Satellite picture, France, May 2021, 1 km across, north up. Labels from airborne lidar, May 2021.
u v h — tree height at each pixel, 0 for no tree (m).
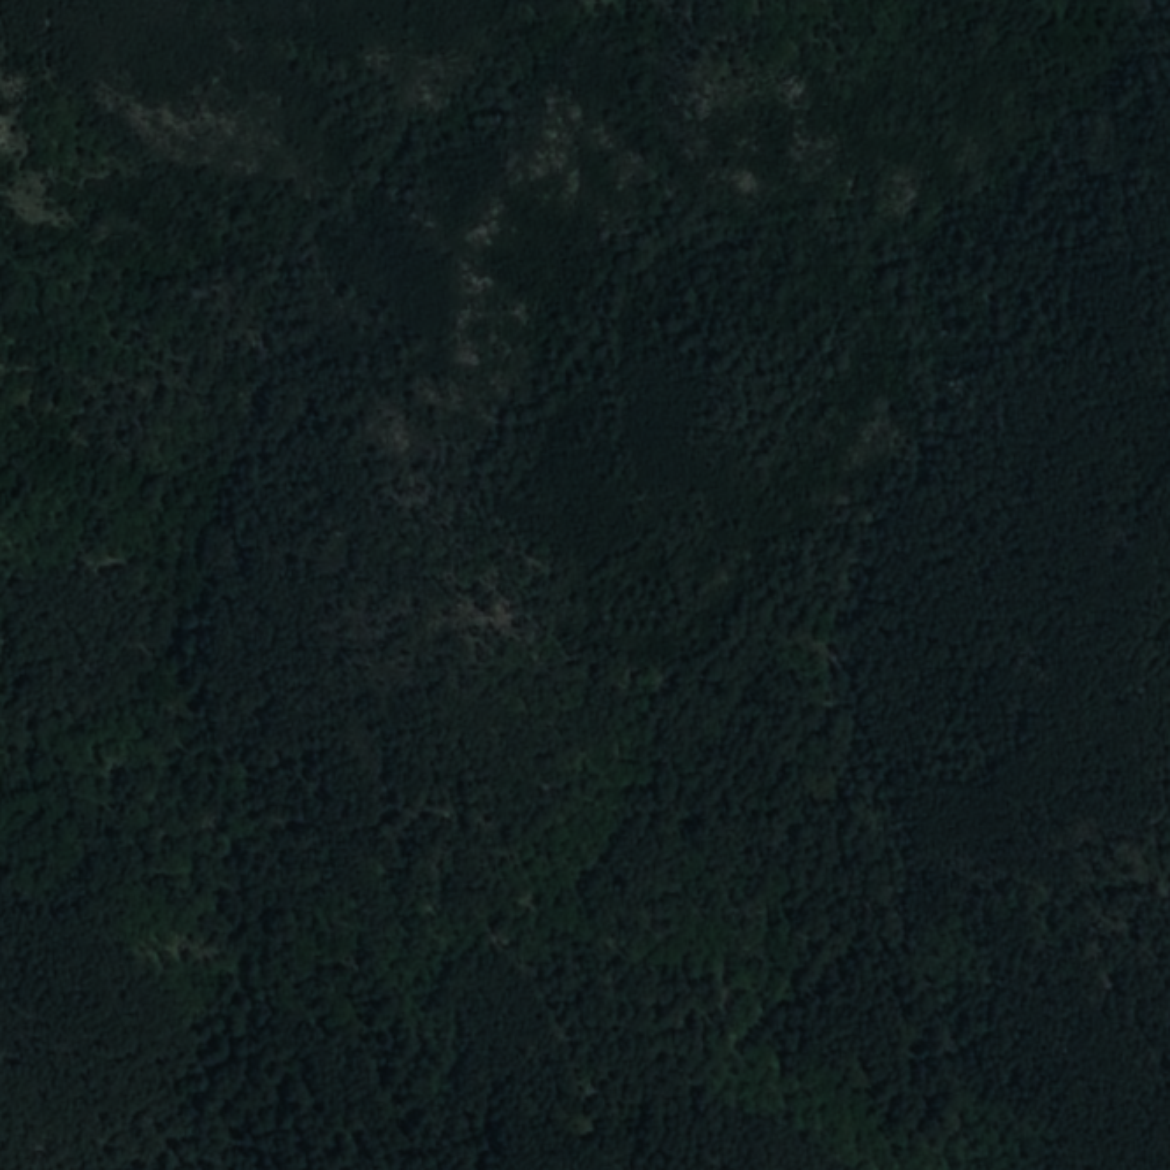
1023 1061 22
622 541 15
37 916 32
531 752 27
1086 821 25
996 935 25
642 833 35
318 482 14
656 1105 35
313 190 7
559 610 20
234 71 8
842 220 20
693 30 15
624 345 8
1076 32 24
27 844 21
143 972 27
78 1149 27
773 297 15
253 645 32
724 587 9
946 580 29
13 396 6
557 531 13
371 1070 30
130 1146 22
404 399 11
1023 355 16
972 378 21
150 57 10
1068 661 20
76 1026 31
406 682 17
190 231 13
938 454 31
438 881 17
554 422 9
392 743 19
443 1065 30
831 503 10
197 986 20
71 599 34
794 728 30
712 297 18
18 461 23
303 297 18
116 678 28
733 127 6
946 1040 27
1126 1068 23
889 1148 17
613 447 12
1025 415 20
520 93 14
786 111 7
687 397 9
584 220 14
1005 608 28
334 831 28
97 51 9
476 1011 28
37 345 19
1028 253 26
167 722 20
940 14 23
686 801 27
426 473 16
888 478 26
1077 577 23
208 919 26
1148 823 19
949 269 10
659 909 37
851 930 30
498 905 23
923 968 28
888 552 27
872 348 10
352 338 13
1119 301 22
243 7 15
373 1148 30
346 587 21
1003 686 22
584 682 25
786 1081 25
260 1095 33
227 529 24
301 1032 34
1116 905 28
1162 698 23
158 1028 30
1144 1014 24
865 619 29
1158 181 11
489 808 30
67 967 34
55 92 9
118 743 22
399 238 9
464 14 8
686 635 14
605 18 7
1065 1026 20
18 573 22
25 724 25
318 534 13
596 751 22
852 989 23
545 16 24
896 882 26
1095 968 22
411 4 19
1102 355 22
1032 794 22
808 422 12
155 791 26
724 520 10
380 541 20
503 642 20
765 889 30
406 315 7
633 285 21
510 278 12
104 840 23
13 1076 26
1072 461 19
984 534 26
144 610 32
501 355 10
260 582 27
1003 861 24
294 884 29
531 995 28
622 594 6
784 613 31
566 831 20
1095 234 25
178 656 20
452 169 11
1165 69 24
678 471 12
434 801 16
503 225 7
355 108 18
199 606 18
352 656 18
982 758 17
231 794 21
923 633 23
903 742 25
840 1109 24
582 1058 19
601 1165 33
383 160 14
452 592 23
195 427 25
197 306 13
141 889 20
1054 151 25
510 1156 33
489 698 23
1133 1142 20
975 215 11
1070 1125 22
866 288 15
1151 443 15
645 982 29
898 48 9
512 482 24
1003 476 22
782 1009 21
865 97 9
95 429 18
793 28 18
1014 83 9
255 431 27
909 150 10
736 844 25
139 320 23
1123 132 10
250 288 19
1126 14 20
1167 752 20
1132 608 22
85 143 16
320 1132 25
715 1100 21
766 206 12
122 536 20
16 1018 32
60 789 22
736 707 22
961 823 21
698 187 8
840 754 26
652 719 29
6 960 25
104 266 27
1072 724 20
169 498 17
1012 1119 21
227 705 30
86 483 26
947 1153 19
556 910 26
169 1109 23
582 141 8
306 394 23
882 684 29
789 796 26
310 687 15
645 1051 35
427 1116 32
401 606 18
